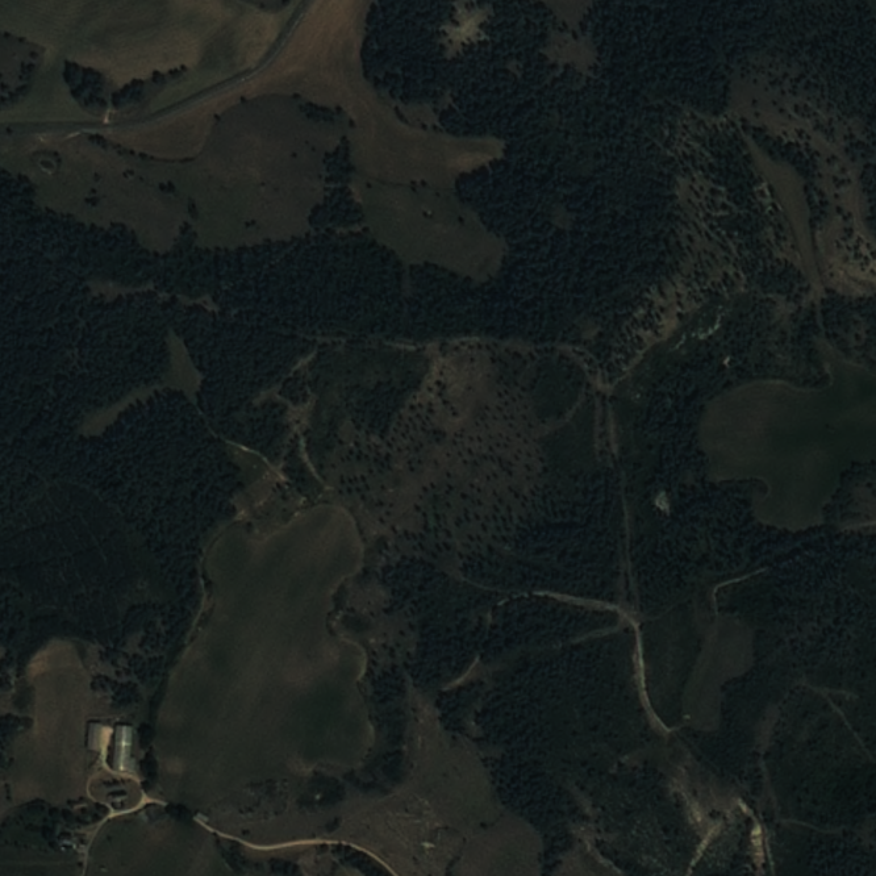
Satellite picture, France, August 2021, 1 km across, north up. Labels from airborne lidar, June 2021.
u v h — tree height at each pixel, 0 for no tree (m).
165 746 0
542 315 6
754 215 15
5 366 14
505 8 12
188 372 0
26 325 15
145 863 0
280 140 0
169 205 0
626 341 13
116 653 11
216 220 0
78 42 0
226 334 13
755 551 12
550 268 7
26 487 15
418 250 0
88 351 12
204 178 0
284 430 9
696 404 17
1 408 16
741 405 0
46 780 0
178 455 17
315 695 0
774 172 0
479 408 0
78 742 0
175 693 0
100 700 0
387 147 0
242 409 6
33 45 0
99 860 0
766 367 5
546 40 13
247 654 0
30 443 18
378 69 16
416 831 0
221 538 0
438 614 6
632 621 0
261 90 0
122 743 0
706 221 8
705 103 11
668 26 8
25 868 0
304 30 0
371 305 6
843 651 10
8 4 0
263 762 0
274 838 0
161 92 0
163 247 0
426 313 6
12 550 8
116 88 0
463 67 11
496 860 0
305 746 0
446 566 0
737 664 0
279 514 0
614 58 13
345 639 0
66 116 0
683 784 0
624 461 9
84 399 17
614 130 7
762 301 7
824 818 8
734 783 6
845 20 13
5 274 10
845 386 0
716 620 0
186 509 14
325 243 7
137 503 13
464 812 0
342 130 0
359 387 8
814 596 14
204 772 0
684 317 11
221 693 0
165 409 17
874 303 13
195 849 0
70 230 7
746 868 6
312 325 9
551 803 7
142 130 0
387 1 15
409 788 0
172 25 0
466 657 10
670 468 17
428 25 8
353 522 0
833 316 9
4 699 0
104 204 0
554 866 7
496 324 11
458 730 5
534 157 14
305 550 0
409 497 0
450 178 0
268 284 11
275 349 10
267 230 0
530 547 11
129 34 0
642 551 9
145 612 13
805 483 0
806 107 6
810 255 0
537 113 7
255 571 0
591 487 8
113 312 17
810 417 0
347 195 16
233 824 0
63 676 0
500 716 10
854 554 8
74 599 7
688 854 7
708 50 15
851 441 0
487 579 7
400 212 0
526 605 7
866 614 13
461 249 0
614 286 9
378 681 8
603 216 13
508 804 9
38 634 7
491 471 0
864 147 9
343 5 0
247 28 0
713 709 0
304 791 0
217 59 0
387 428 9
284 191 0
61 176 0
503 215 15
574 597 0
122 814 0
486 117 14
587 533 11
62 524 7
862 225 0
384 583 7
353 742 0
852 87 14
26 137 0
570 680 7
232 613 0
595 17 14
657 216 11
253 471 0
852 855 15
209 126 0
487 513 0
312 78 0
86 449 19
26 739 0
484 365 0
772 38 14
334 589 0
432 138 0
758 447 0
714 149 14
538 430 0
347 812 0
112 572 7
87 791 0
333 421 7
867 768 6
